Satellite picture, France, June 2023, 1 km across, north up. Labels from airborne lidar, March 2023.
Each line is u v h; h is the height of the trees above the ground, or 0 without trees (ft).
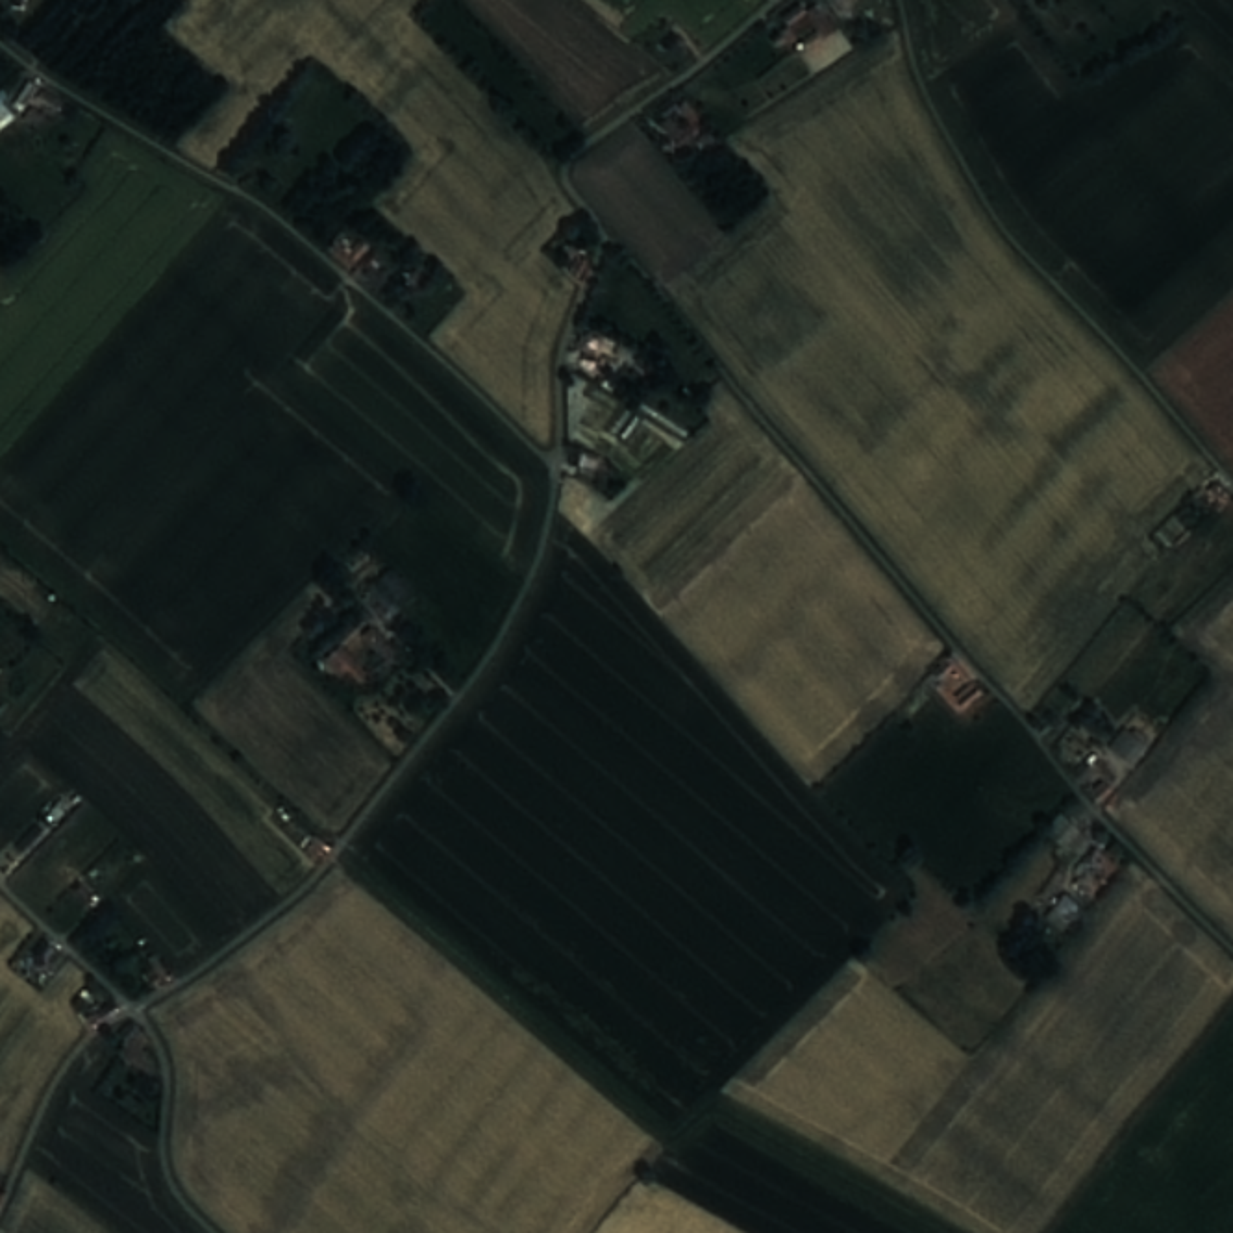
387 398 0
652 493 0
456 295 0
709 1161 0
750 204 40
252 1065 0
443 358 0
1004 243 0
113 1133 0
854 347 0
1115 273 0
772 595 0
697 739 0
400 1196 0
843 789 0
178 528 0
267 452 0
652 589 0
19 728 0
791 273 0
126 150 0
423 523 0
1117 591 0
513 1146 0
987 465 0
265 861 0
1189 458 0
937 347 0
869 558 0
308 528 0
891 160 0
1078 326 0
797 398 0
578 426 0
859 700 0
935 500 0
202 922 0
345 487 0
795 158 0
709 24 0
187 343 0
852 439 0
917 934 0
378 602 0
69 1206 0
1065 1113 0
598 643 0
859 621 0
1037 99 0
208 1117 0
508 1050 0
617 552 0
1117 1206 0
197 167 0
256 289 0
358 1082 0
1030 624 0
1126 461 0
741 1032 0
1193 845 0
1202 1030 0
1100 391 0
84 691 0
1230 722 0
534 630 0
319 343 0
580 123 0
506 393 0
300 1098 0
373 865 0
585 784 0
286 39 0
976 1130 0
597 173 0
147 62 29
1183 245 0
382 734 0
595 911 0
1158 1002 0
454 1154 0
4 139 0
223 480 0
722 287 0
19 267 0
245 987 0
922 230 0
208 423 0
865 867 0
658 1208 0
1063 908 0
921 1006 0
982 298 0
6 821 0
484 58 0
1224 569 0
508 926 0
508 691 0
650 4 0
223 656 0
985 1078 0
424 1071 0
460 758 0
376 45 0
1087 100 0
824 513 0
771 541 0
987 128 0
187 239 0
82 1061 0
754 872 0
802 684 0
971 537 0
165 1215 0
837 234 0
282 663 0
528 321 0
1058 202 0
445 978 0
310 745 0
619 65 0
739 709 0
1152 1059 0
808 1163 0
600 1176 0
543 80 0
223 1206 0
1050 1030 0
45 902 0
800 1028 0
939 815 0
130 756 0
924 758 0
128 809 0
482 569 0
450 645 0
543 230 0
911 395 0
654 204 0
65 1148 0
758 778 0
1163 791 0
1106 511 0
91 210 0
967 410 0
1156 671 0
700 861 0
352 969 0
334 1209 0
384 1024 0
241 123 0
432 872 0
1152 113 0
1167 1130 0
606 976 0
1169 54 0
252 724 0
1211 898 0
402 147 43
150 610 0
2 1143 0
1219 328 0
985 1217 0
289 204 24
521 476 0
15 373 0
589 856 0
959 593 0
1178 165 0
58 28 54
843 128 0
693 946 0
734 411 0
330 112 0
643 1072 0
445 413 0
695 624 0
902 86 0
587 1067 0
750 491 0
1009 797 0
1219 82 0
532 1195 0
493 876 0
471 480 0
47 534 0
